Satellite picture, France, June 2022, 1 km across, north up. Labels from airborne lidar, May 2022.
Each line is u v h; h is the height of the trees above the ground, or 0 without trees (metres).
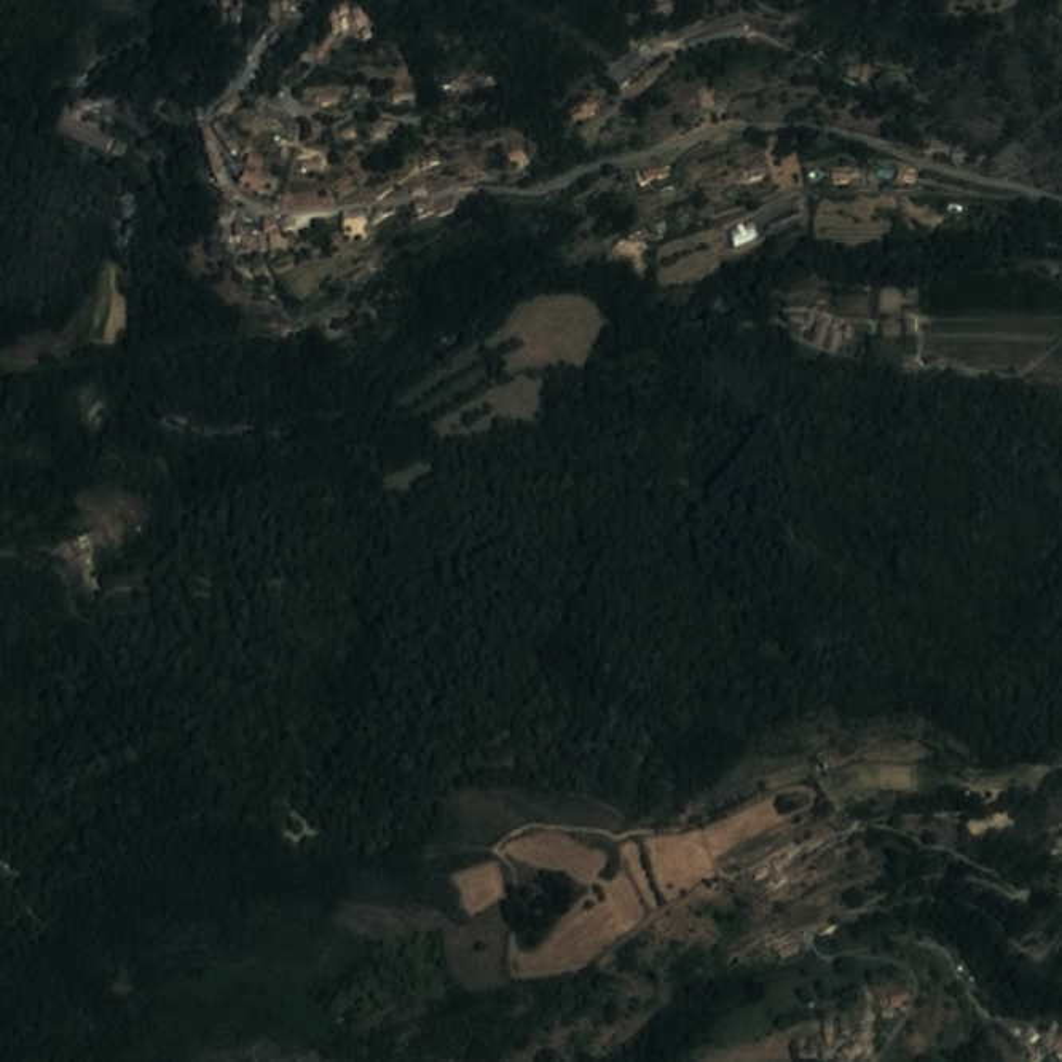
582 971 8
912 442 10
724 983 15
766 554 32
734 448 17
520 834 0
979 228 15
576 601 36
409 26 13
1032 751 11
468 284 18
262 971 0
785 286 25
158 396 12
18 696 16
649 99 15
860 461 8
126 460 8
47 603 7
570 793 9
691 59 8
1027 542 13
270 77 11
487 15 11
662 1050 22
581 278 15
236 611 19
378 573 13
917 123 7
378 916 0
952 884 18
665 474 15
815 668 10
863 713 7
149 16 10
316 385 19
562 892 12
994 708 10
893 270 22
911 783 0
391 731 17
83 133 0
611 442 14
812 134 17
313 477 17
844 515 14
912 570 18
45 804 16
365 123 11
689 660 19
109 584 15
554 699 7
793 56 13
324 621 12
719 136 0
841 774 0
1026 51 10
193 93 18
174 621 13
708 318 18
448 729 11
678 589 21
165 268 12
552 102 10
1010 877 7
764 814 0
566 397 17
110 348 6
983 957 7
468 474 18
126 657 7
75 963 9
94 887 9
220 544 13
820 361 10
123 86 19
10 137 25
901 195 0
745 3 14
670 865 0
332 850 14
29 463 8
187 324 15
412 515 18
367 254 0
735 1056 0
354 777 19
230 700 11
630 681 18
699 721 8
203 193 16
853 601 13
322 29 9
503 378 13
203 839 7
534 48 12
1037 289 7
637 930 0
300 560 15
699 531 32
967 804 13
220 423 8
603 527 17
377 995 15
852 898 18
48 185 22
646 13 9
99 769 23
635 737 14
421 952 14
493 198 10
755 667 9
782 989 0
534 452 10
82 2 8
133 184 11
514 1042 13
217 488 8
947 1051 10
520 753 13
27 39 23
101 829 6
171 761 8
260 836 9
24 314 18
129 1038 9
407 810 17
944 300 7
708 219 8
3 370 7
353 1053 7
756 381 9
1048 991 18
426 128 7
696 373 6
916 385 10
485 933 0
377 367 13
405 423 7
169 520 16
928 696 8
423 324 13
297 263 11
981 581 12
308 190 0
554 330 0
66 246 24
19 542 10
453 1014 9
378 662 11
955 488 15
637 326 23
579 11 6
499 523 10
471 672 13
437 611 19
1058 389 7
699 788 6
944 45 11
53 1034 10
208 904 5
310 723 11
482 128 14
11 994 10
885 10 12
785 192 0
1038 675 14
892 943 15
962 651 10
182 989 0
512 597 22
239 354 10
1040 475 13
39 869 16
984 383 8
